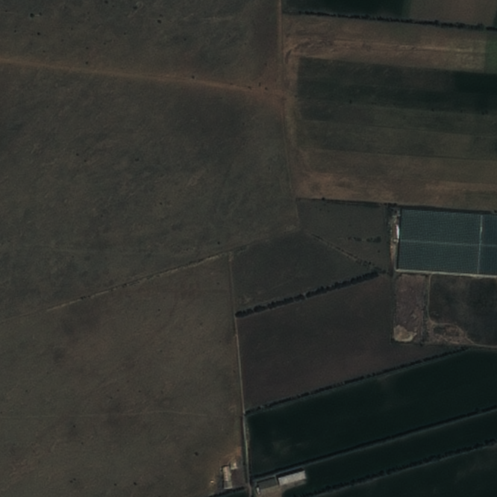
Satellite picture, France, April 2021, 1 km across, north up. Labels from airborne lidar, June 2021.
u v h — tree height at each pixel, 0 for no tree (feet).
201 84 0
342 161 0
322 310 0
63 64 0
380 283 0
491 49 0
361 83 0
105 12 0
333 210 0
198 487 0
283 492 0
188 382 0
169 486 0
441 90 0
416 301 0
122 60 0
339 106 0
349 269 0
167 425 0
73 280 0
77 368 0
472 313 0
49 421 0
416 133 0
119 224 0
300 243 0
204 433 0
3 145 0
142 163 0
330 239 0
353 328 0
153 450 0
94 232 0
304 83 0
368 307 0
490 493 0
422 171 0
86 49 0
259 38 0
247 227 0
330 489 39
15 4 0
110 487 0
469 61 0
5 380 0
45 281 0
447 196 0
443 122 0
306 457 0
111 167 0
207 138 0
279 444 0
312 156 0
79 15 0
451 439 0
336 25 0
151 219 0
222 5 0
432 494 0
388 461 0
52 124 0
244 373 0
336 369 0
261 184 0
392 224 0
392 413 0
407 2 0
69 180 0
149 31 0
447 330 0
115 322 0
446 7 0
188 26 0
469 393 0
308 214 0
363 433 0
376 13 0
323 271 0
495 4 0
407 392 0
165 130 0
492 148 0
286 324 0
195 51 0
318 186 0
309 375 0
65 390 0
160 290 0
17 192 0
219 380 0
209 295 0
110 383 0
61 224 0
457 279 0
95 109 0
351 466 0
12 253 0
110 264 0
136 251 0
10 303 0
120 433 0
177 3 0
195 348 0
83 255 0
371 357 0
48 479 0
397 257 0
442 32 0
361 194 0
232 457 0
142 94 0
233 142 0
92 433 0
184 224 0
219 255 0
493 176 0
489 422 0
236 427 0
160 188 0
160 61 0
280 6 0
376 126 0
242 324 0
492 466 0
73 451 0
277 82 0
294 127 0
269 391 0
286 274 0
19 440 0
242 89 0
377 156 0
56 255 0
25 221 0
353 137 0
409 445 0
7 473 0
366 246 0
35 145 0
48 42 0
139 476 0
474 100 0
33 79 0
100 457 0
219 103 0
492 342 0
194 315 0
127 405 0
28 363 0
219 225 0
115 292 0
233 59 0
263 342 0
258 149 0
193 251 0
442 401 0
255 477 28
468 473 0
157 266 0
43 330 0
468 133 0
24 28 0
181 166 0
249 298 0
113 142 0
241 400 0
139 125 0
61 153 0
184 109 0
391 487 0
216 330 0
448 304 0
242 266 0
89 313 0
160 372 0
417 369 0
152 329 0
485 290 0
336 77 0
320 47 0
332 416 0
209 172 0
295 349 0
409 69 0
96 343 0
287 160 0
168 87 0
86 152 0
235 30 0
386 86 0
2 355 0
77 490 0
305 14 19
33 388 0
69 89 0
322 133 0
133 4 0
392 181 0
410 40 0
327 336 0
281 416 0
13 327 0
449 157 0
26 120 0
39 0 0
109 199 0
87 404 0
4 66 0
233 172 0
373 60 0
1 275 0
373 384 0
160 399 0
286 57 0
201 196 0
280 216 0
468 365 0
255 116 0
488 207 0
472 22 0
